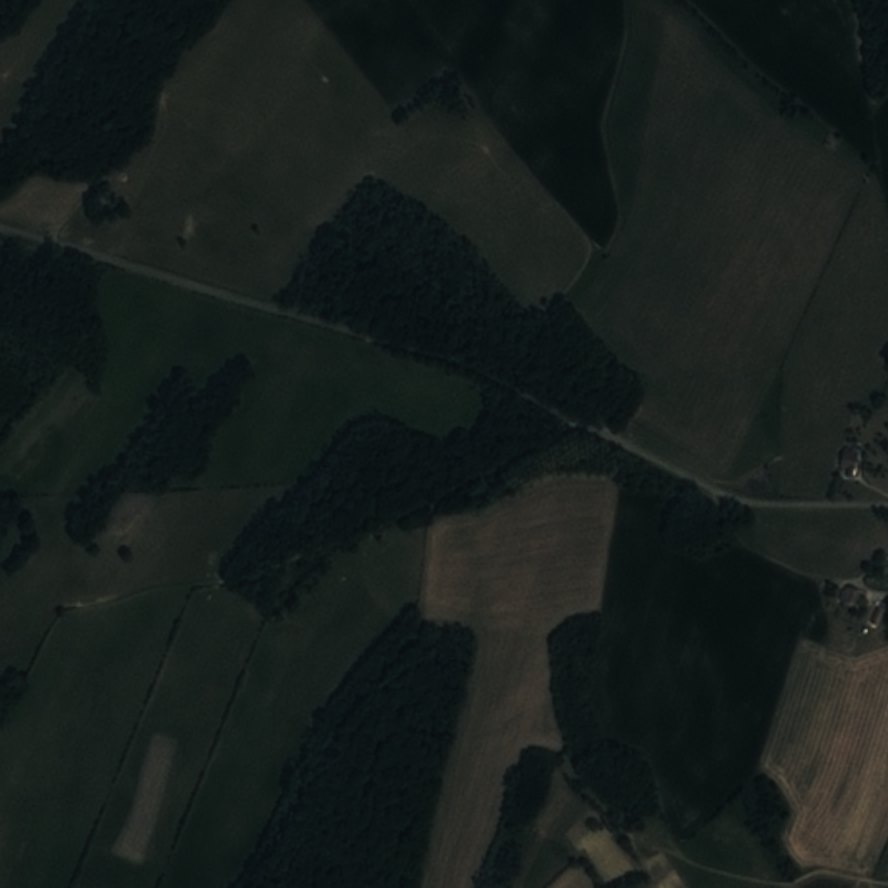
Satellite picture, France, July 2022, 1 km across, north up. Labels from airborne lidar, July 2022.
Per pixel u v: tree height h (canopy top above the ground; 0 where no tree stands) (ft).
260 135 0
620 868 0
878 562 31
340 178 0
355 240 61
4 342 53
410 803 87
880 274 0
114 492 69
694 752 0
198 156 0
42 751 0
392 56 0
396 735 83
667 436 0
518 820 41
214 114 0
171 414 70
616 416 76
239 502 0
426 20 0
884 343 0
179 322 0
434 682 79
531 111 0
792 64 0
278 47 0
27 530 48
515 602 0
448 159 0
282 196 0
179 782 0
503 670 0
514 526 0
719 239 0
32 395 50
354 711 76
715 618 0
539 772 28
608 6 0
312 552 70
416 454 60
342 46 0
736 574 0
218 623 0
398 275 84
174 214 0
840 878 0
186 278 0
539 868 0
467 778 0
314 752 64
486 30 0
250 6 0
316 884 90
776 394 0
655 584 0
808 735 0
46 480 0
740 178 0
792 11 0
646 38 0
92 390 47
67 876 0
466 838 0
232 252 0
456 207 0
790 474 0
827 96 0
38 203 0
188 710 0
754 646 0
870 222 0
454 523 0
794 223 0
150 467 63
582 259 0
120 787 0
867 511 0
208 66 0
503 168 0
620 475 18
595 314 0
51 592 0
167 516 0
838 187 0
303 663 0
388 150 0
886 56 71
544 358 57
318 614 0
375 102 0
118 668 0
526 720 0
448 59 0
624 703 0
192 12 68
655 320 0
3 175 57
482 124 0
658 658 0
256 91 0
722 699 0
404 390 0
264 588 79
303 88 0
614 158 0
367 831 95
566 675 20
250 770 0
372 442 65
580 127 0
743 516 53
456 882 0
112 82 60
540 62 0
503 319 60
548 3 0
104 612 0
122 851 0
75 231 0
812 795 0
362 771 87
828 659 0
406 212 73
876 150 0
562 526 0
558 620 0
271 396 0
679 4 33
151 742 0
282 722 0
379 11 0
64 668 0
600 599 0
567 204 0
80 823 0
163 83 47
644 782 70
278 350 0
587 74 0
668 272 0
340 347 0
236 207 0
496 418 76
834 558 0
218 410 75
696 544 36
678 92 0
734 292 0
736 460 0
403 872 48
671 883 0
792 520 0
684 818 0
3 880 0
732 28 0
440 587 0
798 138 0
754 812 35
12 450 0
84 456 0
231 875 0
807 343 0
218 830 0
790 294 0
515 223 0
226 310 0
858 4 46
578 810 0
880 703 0
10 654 0
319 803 82
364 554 0
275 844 63
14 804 0
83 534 68
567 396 56
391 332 69
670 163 0
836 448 0
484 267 31
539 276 0
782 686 0
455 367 52
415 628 46
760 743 0
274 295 0
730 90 0
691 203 0
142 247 0
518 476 80
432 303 54
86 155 56
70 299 54
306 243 0
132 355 0
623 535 0
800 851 0
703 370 0
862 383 0
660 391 0
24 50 0
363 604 0
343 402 0
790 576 0
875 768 0
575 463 32
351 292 71
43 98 74
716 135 0
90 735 0
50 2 0
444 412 0
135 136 61
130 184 0
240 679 19
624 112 0
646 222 0
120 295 0
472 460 68
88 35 64
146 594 0
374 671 39
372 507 67
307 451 0
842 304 0
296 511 86
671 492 21
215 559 0
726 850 0
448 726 79
